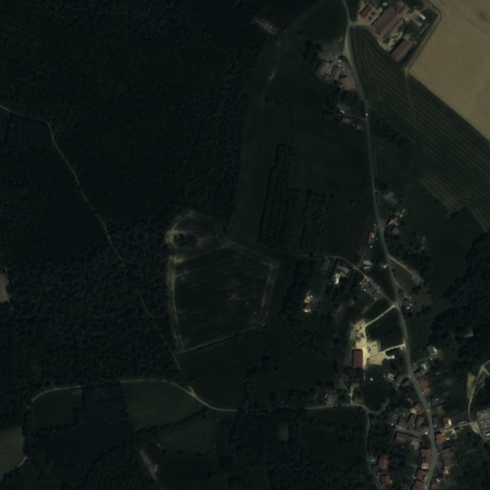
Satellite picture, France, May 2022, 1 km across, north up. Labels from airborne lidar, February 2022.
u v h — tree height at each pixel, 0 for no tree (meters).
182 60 13
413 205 0
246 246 0
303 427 0
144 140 15
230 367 0
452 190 0
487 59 0
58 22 15
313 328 0
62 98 11
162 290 23
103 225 7
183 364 0
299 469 8
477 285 32
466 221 0
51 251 13
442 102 0
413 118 0
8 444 0
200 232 0
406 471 0
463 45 0
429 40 0
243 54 18
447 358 0
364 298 0
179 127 12
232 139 15
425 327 0
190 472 0
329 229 0
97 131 14
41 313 19
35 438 21
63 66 16
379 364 0
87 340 31
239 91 17
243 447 22
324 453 0
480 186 0
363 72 0
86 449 15
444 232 0
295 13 0
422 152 0
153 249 27
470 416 0
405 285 0
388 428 7
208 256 0
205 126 15
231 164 19
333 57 0
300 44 0
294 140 0
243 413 23
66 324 29
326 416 0
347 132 0
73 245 15
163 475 0
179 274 0
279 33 0
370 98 0
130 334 10
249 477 0
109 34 14
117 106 16
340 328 0
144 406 0
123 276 28
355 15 0
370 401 0
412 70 0
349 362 0
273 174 10
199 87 9
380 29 0
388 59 0
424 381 0
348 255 0
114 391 23
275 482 18
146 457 0
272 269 0
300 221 0
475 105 0
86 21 14
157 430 11
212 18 17
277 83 0
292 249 0
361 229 0
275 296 0
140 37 18
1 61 14
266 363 17
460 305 14
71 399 0
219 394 0
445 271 0
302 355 0
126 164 15
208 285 0
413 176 0
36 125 17
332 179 0
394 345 0
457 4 0
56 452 16
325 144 0
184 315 0
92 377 11
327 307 0
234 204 15
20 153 12
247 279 0
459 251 0
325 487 6
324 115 9
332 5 0
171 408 0
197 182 16
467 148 0
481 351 20
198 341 0
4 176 9
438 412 0
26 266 11
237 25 18
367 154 0
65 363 27
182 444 0
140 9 25
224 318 0
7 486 17
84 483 26
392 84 0
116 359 16
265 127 0
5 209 26
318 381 0
